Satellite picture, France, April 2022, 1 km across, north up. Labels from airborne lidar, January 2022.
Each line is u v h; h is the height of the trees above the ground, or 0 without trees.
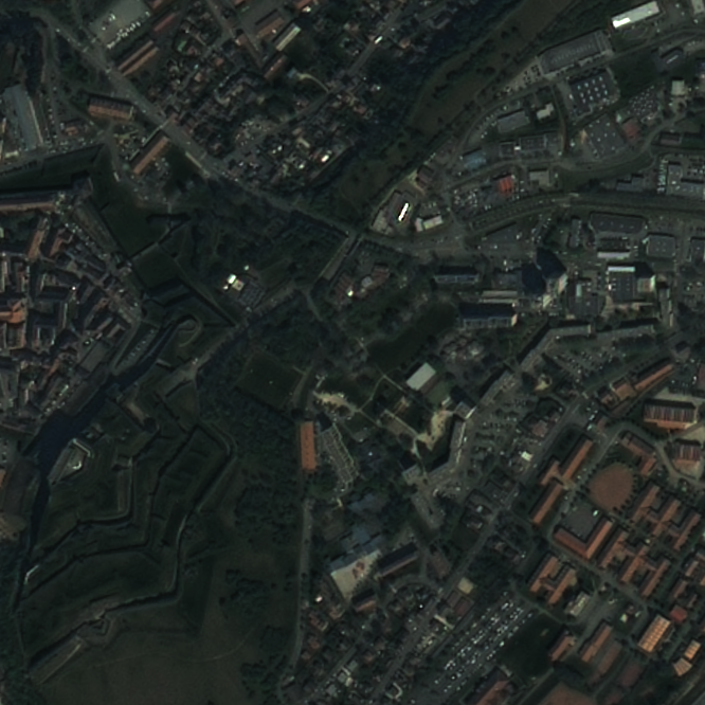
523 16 0
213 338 0
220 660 0
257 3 0
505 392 0
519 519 0
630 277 0
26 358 0
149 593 0
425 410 15
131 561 0
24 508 0
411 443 18
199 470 0
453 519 15
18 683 12
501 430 0
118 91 0
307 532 0
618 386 0
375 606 0
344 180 0
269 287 0
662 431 0
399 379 12
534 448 0
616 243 0
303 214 0
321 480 8
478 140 0
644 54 0
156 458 0
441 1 0
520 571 0
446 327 0
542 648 0
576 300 0
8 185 0
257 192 0
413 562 6
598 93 0
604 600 0
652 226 0
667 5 0
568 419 0
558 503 0
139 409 0
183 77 9
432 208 0
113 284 0
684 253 0
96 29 0
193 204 0
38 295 0
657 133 0
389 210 0
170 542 0
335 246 6
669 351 21
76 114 0
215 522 0
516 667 0
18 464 0
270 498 11
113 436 0
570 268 0
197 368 0
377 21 0
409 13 0
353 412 0
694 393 0
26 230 18
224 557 0
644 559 0
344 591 0
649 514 0
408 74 21
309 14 10
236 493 0
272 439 23
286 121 0
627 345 15
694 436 0
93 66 0
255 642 0
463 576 0
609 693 0
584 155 0
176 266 0
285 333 22
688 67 0
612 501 0
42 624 0
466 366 0
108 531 0
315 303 17
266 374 0
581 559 0
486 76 10
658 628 0
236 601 8
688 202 18
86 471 0
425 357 14
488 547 10
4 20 0
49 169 0
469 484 0
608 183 0
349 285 0
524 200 12
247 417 19
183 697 0
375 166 0
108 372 0
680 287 0
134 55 0
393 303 0
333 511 13
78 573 0
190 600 0
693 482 0
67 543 8
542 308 0
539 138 0
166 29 0
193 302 0
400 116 14
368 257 0
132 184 0
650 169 0
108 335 0
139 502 0
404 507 17
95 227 11
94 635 0
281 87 15
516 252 0
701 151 0
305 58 0
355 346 0
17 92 0
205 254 21
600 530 0
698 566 0
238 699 0
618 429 0
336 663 0
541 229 0
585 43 0
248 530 10
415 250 0
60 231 0
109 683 0
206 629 0
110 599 0
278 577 0
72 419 0
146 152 0
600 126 0
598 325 13
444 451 0
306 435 0
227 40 0
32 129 0
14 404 0
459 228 0
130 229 0
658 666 7
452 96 0
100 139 0
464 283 0
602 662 0
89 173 0
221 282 12
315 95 8
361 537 0
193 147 0
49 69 0
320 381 0
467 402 0
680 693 0
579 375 0
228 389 21
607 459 0
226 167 0
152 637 0
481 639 0
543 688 0
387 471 16
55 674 0
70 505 0
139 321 0
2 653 10
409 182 0
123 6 0
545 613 0
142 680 0
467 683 0
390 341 14
